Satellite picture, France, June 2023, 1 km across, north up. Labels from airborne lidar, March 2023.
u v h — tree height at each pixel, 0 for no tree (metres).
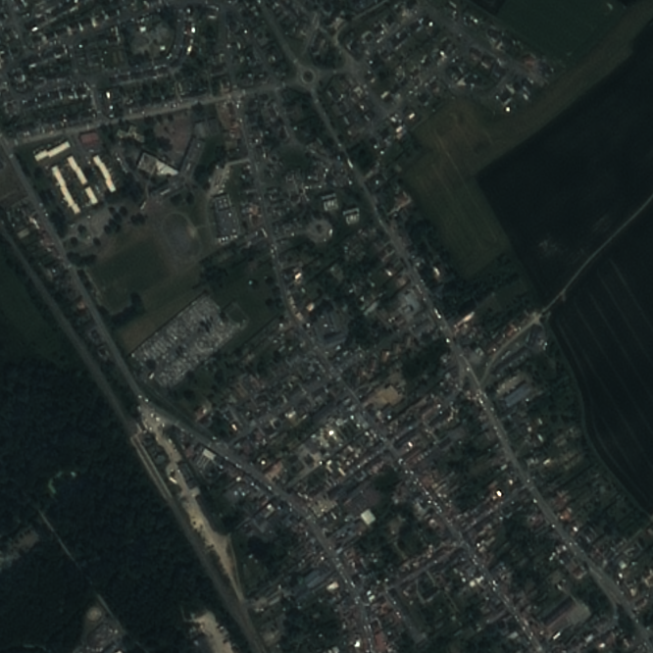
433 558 0
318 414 0
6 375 14
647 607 0
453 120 0
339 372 0
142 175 12
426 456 0
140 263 0
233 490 0
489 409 0
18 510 35
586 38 0
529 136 0
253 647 0
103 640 0
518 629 0
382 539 9
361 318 12
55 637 29
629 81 0
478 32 0
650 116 0
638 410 0
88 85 0
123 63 0
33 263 8
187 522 0
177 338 0
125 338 0
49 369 15
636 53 0
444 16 0
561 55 0
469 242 0
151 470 0
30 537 0
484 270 0
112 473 30
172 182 0
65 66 8
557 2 0
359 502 0
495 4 0
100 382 0
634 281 0
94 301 0
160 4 0
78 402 18
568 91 0
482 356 0
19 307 0
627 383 0
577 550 0
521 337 0
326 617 0
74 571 30
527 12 0
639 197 0
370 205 0
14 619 15
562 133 0
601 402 0
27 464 30
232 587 0
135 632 21
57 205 0
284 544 7
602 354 0
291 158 0
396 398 0
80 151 0
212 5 0
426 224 11
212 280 12
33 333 0
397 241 0
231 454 0
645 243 0
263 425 0
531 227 0
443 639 9
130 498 21
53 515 30
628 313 0
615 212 0
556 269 0
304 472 0
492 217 0
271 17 0
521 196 0
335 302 10
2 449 22
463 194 0
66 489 33
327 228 0
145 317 0
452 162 0
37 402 19
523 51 0
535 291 0
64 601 14
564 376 5
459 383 0
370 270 7
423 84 0
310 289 0
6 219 8
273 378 0
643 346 0
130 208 0
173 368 0
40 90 0
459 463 6
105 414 25
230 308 0
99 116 0
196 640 0
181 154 0
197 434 0
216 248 0
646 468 0
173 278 0
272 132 8
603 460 0
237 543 0
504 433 0
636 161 0
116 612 17
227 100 0
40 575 14
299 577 13
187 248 0
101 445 25
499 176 0
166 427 0
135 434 0
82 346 0
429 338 11
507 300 0
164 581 21
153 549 22
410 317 0
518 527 8
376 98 0
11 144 0
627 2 0
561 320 0
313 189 0
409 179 0
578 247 0
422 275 10
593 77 0
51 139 0
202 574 12
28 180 0
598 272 0
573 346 0
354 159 10
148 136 12
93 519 12
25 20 0
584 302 0
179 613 18
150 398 0
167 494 0
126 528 21
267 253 0
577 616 0
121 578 31
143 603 28
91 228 0
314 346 0
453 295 7
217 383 13
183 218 0
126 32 12
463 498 8
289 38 0
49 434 24
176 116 0
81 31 0
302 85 0
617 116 0
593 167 0
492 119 0
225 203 0
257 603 0
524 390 0
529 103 0
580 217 0
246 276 0
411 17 0
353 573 0
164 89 8
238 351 9
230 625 12
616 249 0
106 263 0
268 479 0
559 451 0
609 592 0
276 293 10
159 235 0
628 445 0
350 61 0
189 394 13
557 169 0
